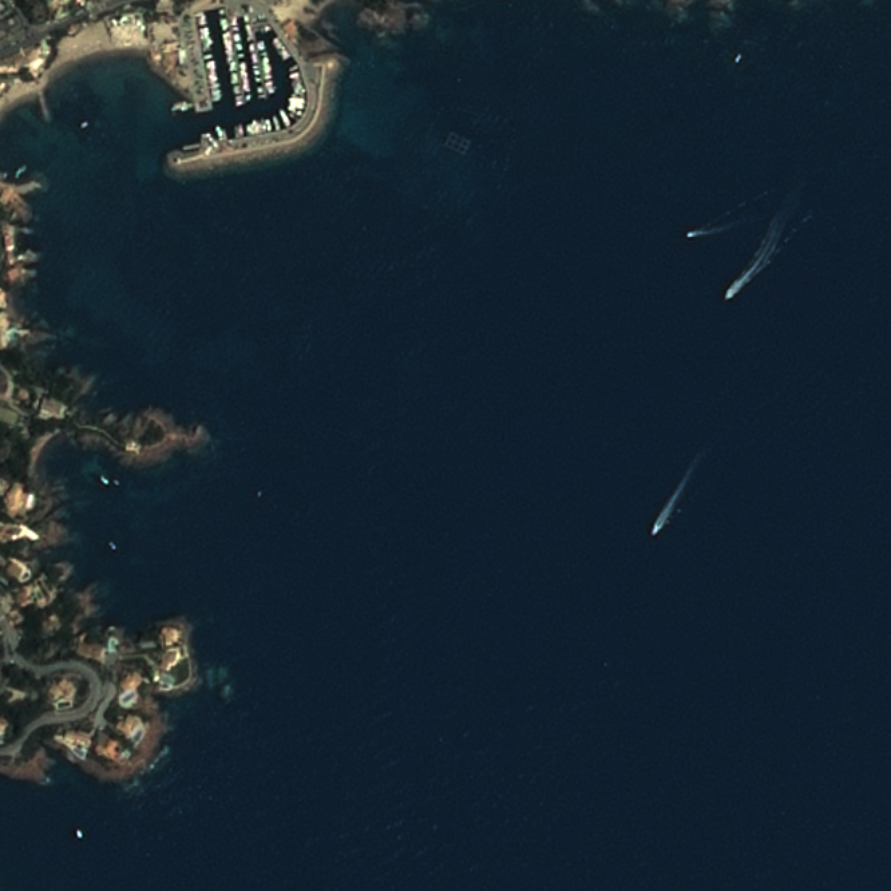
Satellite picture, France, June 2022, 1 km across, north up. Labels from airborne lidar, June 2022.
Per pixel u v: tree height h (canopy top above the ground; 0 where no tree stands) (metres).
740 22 0
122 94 0
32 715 9
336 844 0
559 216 0
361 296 0
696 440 0
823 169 0
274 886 0
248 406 0
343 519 0
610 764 0
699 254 0
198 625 0
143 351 0
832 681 0
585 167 0
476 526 0
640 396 0
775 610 0
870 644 0
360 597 0
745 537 0
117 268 0
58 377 6
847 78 0
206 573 0
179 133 0
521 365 0
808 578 0
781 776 0
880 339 0
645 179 0
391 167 0
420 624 0
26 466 6
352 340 0
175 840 0
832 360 0
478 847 0
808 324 0
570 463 0
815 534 0
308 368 0
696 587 0
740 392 0
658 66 0
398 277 0
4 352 8
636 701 0
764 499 0
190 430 0
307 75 0
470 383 0
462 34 0
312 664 0
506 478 0
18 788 0
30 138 0
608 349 0
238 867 0
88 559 0
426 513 0
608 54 0
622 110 0
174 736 0
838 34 0
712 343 0
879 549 0
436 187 0
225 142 0
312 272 0
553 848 0
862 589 0
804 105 0
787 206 0
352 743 0
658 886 0
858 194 0
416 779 0
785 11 0
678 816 0
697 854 0
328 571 0
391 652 0
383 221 0
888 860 0
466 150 0
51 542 0
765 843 0
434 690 0
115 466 0
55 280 0
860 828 0
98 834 0
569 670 0
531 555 0
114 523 0
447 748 0
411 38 0
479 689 0
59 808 0
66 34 13
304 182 0
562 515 0
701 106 0
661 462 0
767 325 0
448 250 0
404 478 0
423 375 0
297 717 0
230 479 0
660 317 0
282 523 0
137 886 0
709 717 0
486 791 0
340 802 0
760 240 0
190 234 0
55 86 0
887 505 0
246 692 0
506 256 0
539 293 0
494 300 0
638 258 0
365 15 0
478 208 0
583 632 0
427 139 0
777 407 0
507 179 0
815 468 0
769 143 0
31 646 7
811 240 0
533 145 0
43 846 0
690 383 0
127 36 0
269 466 0
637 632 0
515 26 0
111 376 0
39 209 0
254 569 0
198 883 0
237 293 0
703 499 0
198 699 0
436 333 0
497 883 0
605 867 0
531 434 0
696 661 0
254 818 0
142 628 0
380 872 0
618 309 0
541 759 0
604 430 0
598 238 0
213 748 0
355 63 0
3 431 28
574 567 0
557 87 0
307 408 0
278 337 0
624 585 0
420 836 0
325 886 0
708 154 0
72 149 0
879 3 0
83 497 0
